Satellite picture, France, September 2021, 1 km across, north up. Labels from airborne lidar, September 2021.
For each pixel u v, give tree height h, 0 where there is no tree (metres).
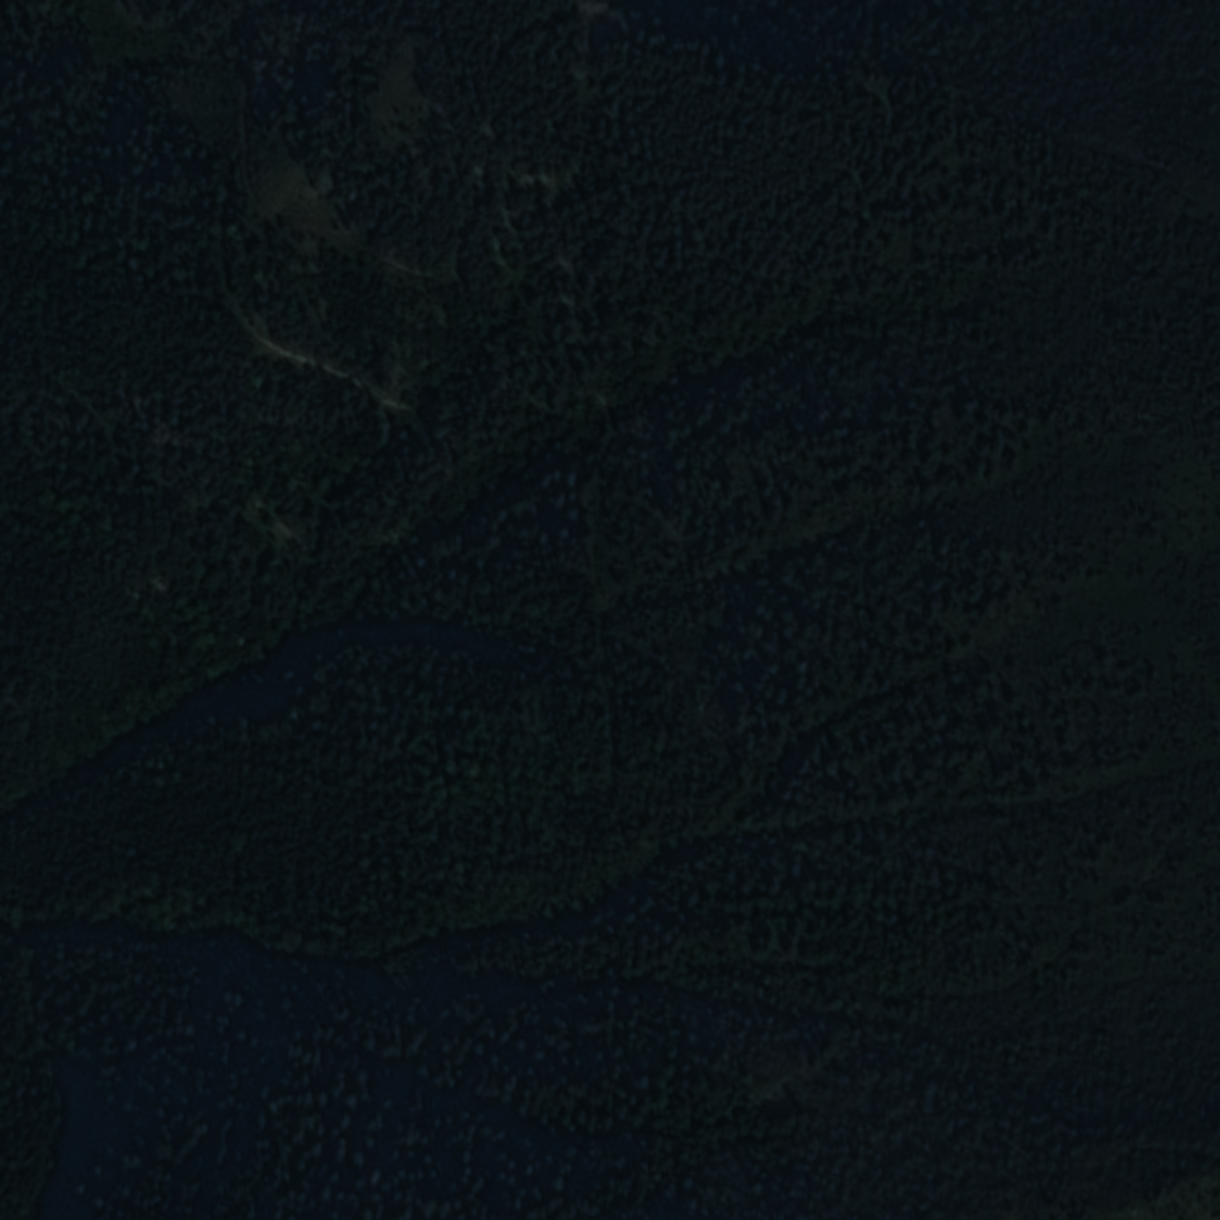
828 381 7
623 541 6
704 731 0
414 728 10
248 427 22
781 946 8
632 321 7
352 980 14
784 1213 8
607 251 19
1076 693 7
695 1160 10
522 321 11
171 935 12
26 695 31
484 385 10
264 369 14
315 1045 14
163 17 24
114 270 14
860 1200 6
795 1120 9
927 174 18
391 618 14
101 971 36
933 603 15
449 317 12
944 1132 8
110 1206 27
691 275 21
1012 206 8
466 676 19
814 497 7
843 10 7
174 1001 25
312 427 22
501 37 22
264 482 25
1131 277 7
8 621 23
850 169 21
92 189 16
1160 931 6
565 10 22
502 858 9
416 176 15
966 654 10
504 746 8
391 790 17
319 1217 18
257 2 30
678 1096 13
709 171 25
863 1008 0
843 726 12
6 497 24
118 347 15
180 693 8
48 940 15
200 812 19
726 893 11
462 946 6
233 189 7
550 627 12
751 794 8
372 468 15
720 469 11
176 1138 32
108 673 16
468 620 22
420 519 8
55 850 18
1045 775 13
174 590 17
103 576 20
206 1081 18
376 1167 13
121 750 8
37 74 9
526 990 7
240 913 10
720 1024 9
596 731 13
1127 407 10
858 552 6
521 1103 27
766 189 31
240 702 11
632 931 11
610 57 26
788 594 6
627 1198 12
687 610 8
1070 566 10
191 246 16
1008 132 7
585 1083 15
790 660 25
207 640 21
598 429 14
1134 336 9
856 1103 6
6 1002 24
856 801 27
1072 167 9
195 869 16
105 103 9
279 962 14
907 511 7
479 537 26
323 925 12
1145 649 0
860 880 6
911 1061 6
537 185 8
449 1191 11
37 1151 18
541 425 8
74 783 19
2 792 16
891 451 20
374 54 27
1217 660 7
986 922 9
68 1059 16
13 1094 10
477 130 27
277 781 17
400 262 18
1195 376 8
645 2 8
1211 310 7
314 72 0
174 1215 21
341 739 18
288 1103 29
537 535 26
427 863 12
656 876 11
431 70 24
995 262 13
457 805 10
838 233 25
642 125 18
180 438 28
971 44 6
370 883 15
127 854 16
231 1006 18
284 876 16
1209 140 0
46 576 21
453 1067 26
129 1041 27
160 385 17
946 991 7
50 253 15
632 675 10
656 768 8
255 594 9
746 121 27
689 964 10
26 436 23
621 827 11
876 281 23
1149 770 0
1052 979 8
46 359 20
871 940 11
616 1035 11
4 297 22
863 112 15
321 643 16
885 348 7
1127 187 6
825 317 9
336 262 11
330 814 17
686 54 20
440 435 29
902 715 12
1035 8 7
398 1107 14
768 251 23
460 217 21
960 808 9
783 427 6
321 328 7
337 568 20
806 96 18
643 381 12
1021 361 8
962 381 6
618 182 12
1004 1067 7
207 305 10
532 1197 17
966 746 10
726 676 10
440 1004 16
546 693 9
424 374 6
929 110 14
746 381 12
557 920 6
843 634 10
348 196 23
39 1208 9
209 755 20
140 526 22
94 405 21
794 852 15
